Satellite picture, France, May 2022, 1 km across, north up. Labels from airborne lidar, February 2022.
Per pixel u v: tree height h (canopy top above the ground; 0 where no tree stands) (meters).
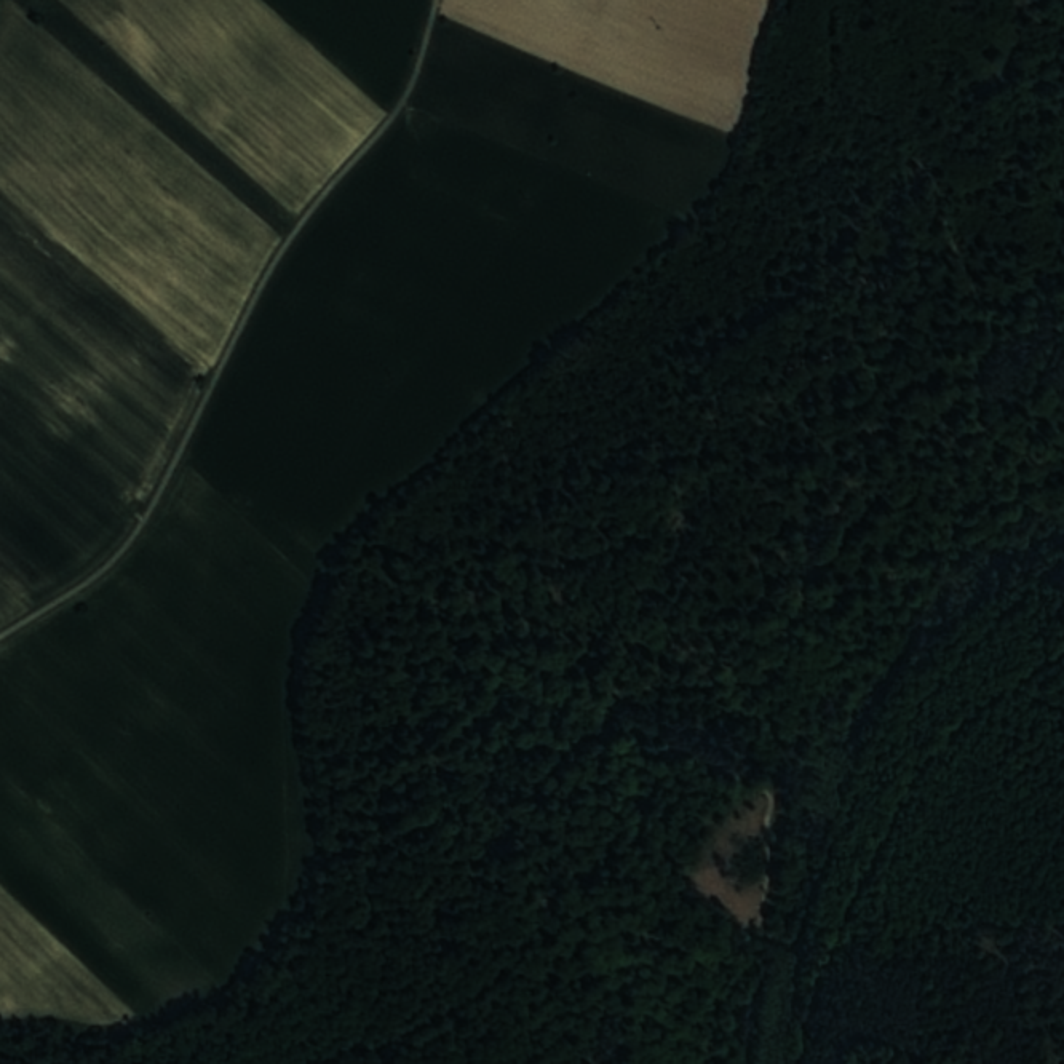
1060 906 26
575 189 0
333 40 0
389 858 33
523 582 40
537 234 0
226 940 0
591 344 6
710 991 30
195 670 0
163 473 0
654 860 35
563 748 35
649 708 7
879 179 15
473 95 0
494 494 16
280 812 0
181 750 0
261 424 0
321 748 30
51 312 0
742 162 20
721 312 10
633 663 29
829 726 31
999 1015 16
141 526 0
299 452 0
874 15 18
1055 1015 22
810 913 19
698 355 34
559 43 0
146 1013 0
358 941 27
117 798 0
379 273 0
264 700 0
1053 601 32
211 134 0
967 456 36
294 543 0
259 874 0
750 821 0
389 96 0
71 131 0
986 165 18
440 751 41
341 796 27
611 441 14
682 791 31
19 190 0
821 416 35
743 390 31
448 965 25
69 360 0
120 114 0
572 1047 34
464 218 0
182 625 0
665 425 9
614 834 37
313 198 0
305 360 0
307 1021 24
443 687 37
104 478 0
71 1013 0
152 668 0
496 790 46
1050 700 33
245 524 0
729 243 11
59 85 0
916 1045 9
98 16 0
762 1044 24
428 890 20
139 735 0
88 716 0
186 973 0
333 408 0
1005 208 15
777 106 13
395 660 26
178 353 0
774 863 11
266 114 0
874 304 35
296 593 0
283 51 0
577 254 0
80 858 0
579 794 34
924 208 20
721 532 12
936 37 24
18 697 0
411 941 28
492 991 32
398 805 33
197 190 0
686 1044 14
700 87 0
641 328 9
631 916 33
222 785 0
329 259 0
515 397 14
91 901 0
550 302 0
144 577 0
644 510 30
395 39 0
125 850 0
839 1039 14
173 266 0
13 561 0
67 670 0
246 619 0
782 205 6
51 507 0
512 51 0
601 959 41
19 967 0
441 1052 32
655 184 0
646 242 0
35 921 0
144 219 0
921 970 14
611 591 31
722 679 29
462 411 0
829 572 18
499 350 0
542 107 0
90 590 0
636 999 37
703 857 0
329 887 32
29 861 0
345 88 0
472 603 48
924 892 27
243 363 0
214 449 0
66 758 0
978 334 33
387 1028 27
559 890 31
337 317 0
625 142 0
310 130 0
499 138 0
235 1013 27
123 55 0
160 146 0
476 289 0
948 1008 12
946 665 27
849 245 32
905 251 36
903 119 15
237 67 0
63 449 0
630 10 0
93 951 0
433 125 0
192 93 0
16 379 0
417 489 16
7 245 0
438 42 0
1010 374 31
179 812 0
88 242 0
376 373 0
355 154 0
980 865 26
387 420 0
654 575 17
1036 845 26
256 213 0
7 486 0
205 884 0
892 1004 14
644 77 0
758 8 0
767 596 38
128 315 0
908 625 36
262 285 0
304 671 31
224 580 0
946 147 15
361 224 0
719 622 34
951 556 25
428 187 0
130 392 0
